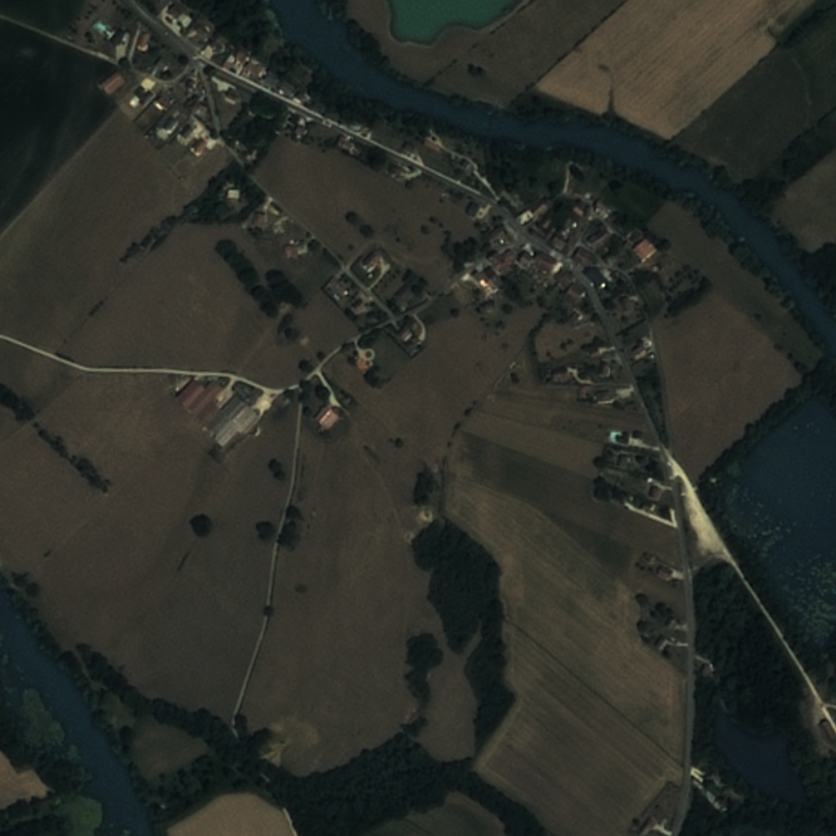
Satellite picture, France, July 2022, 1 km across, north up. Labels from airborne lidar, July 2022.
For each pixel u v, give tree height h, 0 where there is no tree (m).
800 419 0
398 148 0
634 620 0
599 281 0
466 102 7
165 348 0
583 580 0
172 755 0
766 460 0
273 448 0
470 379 0
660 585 0
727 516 8
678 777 0
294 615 0
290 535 12
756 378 0
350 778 14
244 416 0
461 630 8
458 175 7
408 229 0
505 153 15
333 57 0
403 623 0
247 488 0
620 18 0
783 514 0
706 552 0
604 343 7
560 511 0
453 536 7
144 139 0
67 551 0
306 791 20
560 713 0
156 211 0
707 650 14
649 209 0
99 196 0
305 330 0
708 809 11
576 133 0
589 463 0
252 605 0
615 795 0
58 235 0
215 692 0
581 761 0
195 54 0
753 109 0
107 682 18
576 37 0
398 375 0
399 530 0
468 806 0
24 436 0
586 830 0
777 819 29
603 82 0
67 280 0
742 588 15
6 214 0
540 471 0
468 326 0
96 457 0
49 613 0
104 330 0
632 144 0
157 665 0
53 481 0
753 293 0
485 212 0
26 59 0
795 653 14
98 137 0
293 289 16
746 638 10
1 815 12
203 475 0
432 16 0
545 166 0
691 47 0
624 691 0
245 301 0
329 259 6
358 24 15
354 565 0
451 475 0
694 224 0
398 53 0
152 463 0
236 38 6
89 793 0
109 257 0
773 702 21
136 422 0
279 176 0
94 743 0
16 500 0
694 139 0
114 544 0
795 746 14
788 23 0
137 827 0
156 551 0
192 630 0
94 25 0
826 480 0
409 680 9
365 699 0
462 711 0
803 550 0
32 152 0
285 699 0
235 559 0
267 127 15
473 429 0
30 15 0
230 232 0
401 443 9
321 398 13
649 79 0
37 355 0
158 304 0
